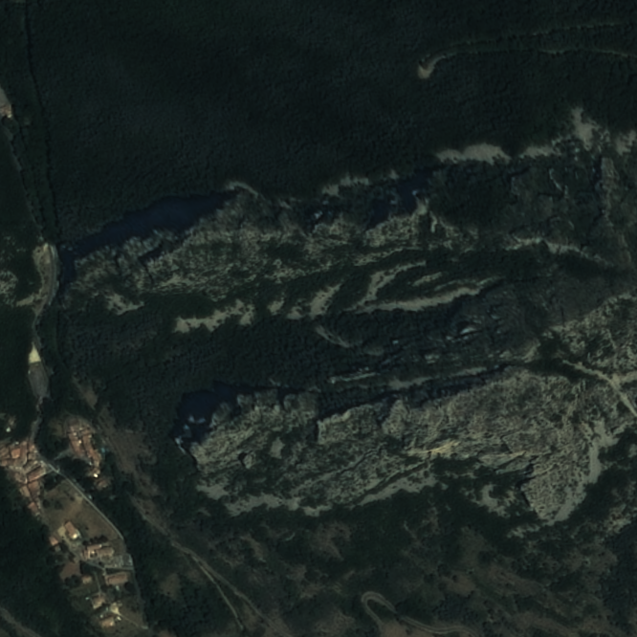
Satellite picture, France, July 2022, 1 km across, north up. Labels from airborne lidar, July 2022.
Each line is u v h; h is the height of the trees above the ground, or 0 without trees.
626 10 20
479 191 13
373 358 10
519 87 18
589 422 6
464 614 9
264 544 6
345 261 13
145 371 9
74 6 24
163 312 8
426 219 11
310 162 15
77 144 15
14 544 23
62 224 16
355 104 21
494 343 6
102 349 12
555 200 6
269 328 14
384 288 10
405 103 13
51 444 9
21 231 11
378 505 8
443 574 7
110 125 15
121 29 25
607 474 9
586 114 6
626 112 19
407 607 14
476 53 9
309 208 9
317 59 22
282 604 9
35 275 5
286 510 9
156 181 10
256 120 20
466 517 10
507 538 7
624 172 7
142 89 16
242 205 6
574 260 10
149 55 24
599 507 9
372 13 19
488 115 13
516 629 6
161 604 11
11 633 11
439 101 15
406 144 14
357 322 10
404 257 10
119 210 10
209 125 19
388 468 12
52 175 17
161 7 15
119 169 12
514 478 7
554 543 8
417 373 7
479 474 9
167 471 10
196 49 28
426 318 8
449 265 13
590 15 19
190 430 6
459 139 14
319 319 11
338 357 16
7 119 17
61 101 15
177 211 0
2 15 21
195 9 13
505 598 9
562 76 16
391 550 9
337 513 10
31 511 17
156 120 15
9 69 11
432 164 12
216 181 12
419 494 9
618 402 7
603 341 8
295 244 7
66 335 11
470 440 10
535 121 11
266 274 8
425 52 14
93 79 15
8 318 13
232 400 8
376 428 6
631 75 11
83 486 17
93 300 8
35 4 23
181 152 10
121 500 14
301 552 10
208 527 17
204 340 14
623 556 10
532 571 11
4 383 18
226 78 21
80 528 0
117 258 7
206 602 18
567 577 7
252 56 23
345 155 17
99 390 13
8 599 15
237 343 12
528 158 7
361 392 13
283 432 7
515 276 9
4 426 12
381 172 12
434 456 10
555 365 10
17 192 13
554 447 12
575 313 0
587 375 8
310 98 17
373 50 19
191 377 15
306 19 11
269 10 16
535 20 17
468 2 23
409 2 17
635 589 8
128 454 0
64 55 21
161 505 7
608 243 6
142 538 19
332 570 11
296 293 10
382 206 6
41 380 0
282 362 11
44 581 12
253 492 10
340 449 6
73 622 10
